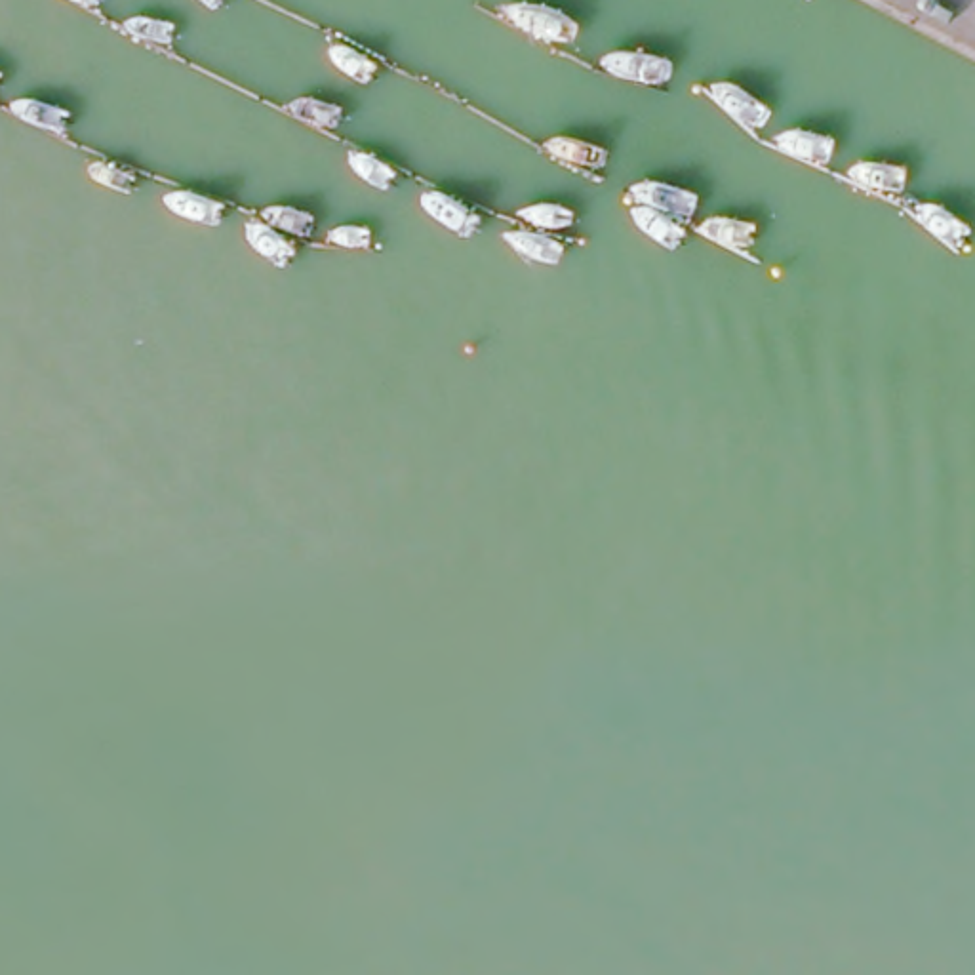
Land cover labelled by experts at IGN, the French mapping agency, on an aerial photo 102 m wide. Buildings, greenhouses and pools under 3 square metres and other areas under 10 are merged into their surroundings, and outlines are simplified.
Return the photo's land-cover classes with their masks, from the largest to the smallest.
<instances>
[{"label":"water","instance_id":"1","mask_svg":"<svg viewBox=\"0 0 975 975\"><path fill-rule=\"evenodd\" d=\"M0 975H975V61L945 50L922 30L861 0H0Z\"/></svg>","mask_w":975,"mask_h":975},{"label":"impervious surface","instance_id":"2","mask_svg":"<svg viewBox=\"0 0 975 975\"><path fill-rule=\"evenodd\" d=\"M922 30L945 50L975 61V0H861Z\"/></svg>","mask_w":975,"mask_h":975}]
</instances>
